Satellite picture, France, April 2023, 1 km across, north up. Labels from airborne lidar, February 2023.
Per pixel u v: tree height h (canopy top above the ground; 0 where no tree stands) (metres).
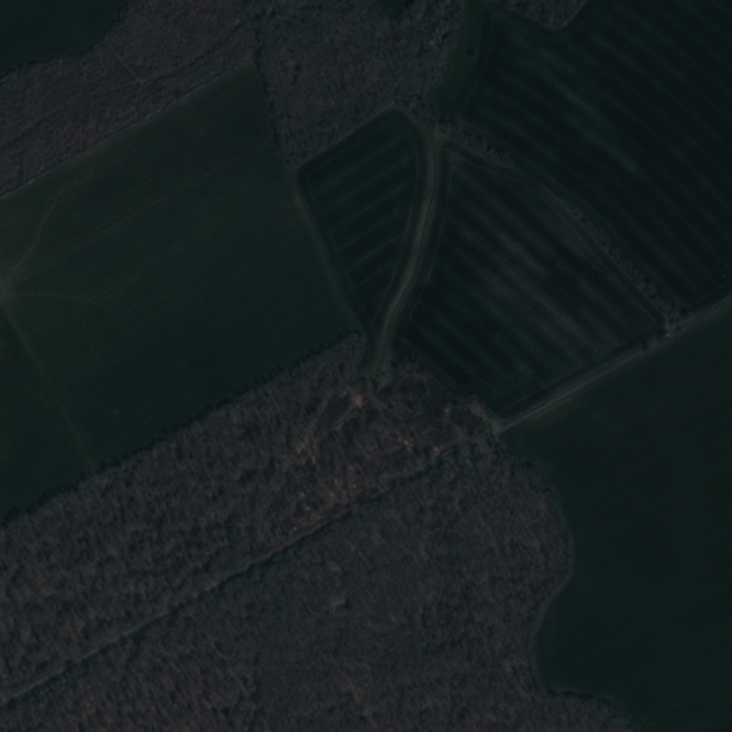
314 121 23
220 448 26
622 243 0
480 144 11
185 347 0
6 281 0
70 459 0
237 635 18
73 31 0
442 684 19
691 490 0
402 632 19
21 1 0
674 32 0
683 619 0
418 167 0
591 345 0
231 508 26
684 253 0
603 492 0
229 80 0
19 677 23
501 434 0
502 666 18
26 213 0
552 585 17
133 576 19
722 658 0
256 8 21
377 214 0
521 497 20
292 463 22
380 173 0
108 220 0
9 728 26
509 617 19
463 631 24
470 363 0
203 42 6
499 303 0
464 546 20
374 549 21
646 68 0
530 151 0
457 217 0
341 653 18
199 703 12
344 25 22
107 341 0
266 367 0
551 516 20
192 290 0
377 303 0
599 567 0
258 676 18
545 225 0
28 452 0
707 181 0
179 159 0
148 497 24
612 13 0
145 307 0
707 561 0
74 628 28
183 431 14
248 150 0
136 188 0
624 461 0
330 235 0
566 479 0
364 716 18
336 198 0
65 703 22
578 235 0
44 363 0
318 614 19
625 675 0
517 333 0
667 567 0
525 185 0
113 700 16
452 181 0
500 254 0
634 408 0
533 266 0
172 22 5
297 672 15
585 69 0
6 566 24
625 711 0
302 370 17
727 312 0
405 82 19
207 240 0
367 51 20
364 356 0
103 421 0
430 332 0
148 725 26
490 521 20
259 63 20
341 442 20
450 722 19
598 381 0
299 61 24
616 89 0
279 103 18
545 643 0
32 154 6
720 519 0
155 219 0
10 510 0
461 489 17
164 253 0
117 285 0
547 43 0
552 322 0
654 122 0
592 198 0
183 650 21
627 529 0
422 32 9
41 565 21
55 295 0
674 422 0
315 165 0
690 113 0
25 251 0
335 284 0
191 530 24
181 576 22
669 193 0
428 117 18
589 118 0
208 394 0
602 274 0
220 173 0
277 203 0
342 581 18
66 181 0
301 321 0
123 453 0
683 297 0
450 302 0
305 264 0
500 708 20
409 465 21
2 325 0
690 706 0
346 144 0
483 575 19
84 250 0
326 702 18
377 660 17
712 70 0
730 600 0
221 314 0
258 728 16
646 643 0
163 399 0
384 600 20
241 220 0
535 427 0
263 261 0
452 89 0
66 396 0
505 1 22
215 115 0
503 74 0
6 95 6
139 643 11
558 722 20
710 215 0
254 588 19
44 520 20
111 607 26
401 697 18
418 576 21
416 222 0
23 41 0
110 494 10
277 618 22
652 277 0
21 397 0
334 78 21
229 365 0
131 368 0
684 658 0
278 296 0
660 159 0
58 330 0
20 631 22
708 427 0
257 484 22
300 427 20
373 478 20
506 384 0
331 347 12
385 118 0
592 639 0
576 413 0
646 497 0
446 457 0
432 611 14
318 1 24
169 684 20
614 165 0
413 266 0
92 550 22
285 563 13
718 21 0
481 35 0
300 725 19
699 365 0
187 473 23
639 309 0
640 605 0
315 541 10
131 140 0
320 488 22
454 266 0
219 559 14
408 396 19
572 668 0
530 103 0
